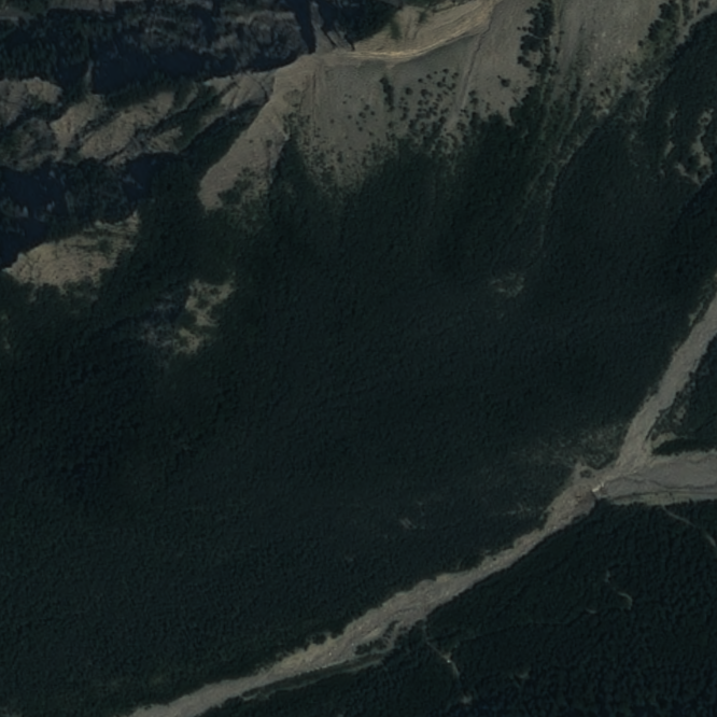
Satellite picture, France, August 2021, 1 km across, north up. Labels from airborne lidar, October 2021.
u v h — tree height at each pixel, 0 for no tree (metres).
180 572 10
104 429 18
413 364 12
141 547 10
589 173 12
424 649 9
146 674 12
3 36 15
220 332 9
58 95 0
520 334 10
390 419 12
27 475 13
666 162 7
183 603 12
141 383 15
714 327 0
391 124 6
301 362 12
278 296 18
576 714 7
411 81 0
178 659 13
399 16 0
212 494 8
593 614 8
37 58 11
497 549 6
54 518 12
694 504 15
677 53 10
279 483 11
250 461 11
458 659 8
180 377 12
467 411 12
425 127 8
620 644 18
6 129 6
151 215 12
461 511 8
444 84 8
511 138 18
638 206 7
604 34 0
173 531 8
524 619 12
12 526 11
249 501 8
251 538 8
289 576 11
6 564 10
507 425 14
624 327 9
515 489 7
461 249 18
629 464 0
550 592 10
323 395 10
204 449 15
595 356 11
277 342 11
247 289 8
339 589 11
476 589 7
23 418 16
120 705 8
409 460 13
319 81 0
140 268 15
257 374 11
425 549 11
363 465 14
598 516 6
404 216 11
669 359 10
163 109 0
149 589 10
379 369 13
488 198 13
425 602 0
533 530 9
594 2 0
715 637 16
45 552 12
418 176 7
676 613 25
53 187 0
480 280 11
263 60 0
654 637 19
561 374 15
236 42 0
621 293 12
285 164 8
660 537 21
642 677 24
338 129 0
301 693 7
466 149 6
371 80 0
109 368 20
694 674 25
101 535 8
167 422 21
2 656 12
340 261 14
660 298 10
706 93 7
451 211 7
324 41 0
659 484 0
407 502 6
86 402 12
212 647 10
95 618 12
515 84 0
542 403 16
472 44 0
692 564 24
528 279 8
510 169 10
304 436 13
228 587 13
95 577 9
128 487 14
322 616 8
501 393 13
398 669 8
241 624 13
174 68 0
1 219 12
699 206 23
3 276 9
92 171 14
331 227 11
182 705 0
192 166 7
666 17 15
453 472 9
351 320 13
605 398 12
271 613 11
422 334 8
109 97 7
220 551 11
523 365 13
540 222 7
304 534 9
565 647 22
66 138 0
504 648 17
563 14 0
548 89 6
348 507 7
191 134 11
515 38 0
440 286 10
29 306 6
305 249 19
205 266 8
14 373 20
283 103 0
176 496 10
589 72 0
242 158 0
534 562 10
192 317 8
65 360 20
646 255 13
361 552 10
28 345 13
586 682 16
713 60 8
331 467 14
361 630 0
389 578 12
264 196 7
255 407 14
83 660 10
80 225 6
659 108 9
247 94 0
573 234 14
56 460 23
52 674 13
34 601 11
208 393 17
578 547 13
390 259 9
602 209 10
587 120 6
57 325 15
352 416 12
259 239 13
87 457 18
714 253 14
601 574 17
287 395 12
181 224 23
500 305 5
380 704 16
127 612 11
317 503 10
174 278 10
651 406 0
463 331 9
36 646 12
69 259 0
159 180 20
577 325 9
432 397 12
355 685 10
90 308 9
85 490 27
